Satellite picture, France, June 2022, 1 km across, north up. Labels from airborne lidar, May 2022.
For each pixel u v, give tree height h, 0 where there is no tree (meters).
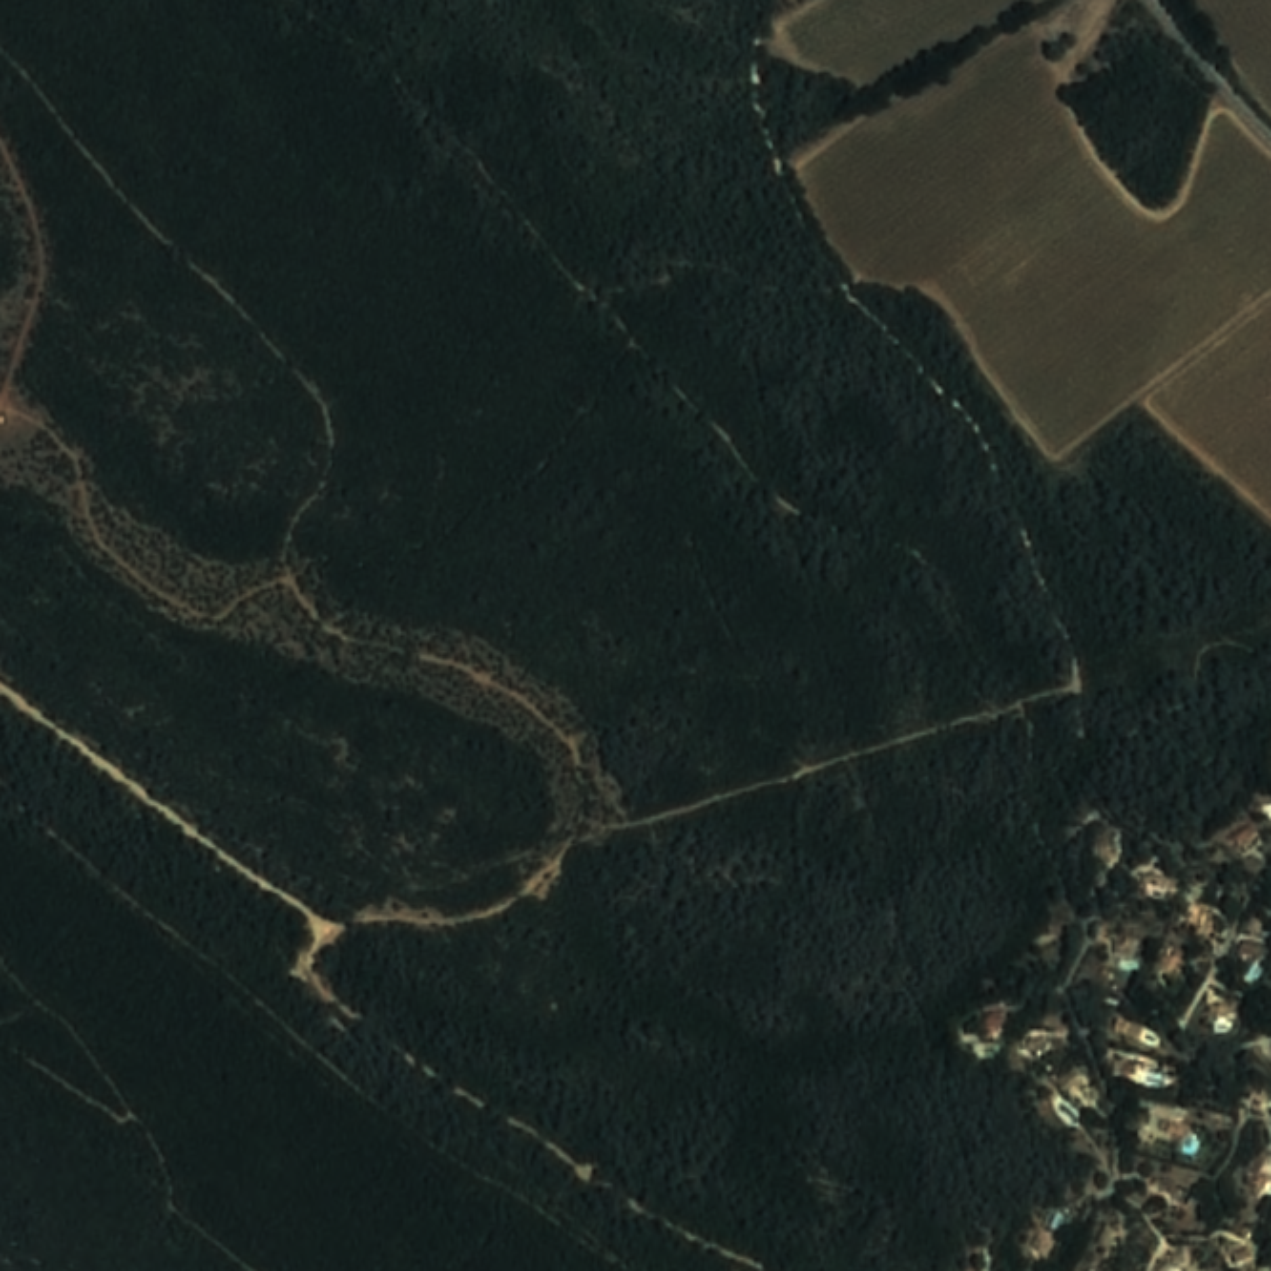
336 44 11
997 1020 0
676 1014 9
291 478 5
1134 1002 14
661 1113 7
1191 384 0
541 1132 8
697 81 7
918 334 13
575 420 7
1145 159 8
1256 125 0
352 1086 7
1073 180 0
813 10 0
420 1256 10
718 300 6
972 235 0
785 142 15
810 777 6
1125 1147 13
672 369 6
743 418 8
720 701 6
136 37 7
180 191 8
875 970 17
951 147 0
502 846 6
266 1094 8
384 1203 10
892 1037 14
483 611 5
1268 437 0
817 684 6
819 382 17
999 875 7
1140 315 0
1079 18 0
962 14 0
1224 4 0
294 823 6
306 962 0
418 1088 18
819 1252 8
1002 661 12
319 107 9
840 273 15
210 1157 7
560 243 6
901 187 0
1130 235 0
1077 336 0
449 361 7
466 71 8
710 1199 8
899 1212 15
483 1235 11
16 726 14
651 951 8
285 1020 6
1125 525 19
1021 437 16
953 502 18
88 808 13
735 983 11
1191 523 8
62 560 6
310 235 7
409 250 9
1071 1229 12
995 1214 13
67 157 7
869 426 11
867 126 0
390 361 7
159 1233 7
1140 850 19
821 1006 10
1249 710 20
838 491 18
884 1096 13
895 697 6
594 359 10
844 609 6
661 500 7
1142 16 0
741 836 10
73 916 9
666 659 6
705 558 8
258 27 9
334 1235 8
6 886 8
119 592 6
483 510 9
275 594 6
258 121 7
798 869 11
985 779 19
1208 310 0
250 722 6
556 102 7
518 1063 7
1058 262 0
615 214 7
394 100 10
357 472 6
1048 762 19
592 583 5
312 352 6
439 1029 10
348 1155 9
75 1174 7
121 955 8
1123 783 14
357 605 14
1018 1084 9
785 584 9
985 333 0
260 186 8
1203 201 0
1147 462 7
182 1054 8
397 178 8
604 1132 17
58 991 7
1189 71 7
